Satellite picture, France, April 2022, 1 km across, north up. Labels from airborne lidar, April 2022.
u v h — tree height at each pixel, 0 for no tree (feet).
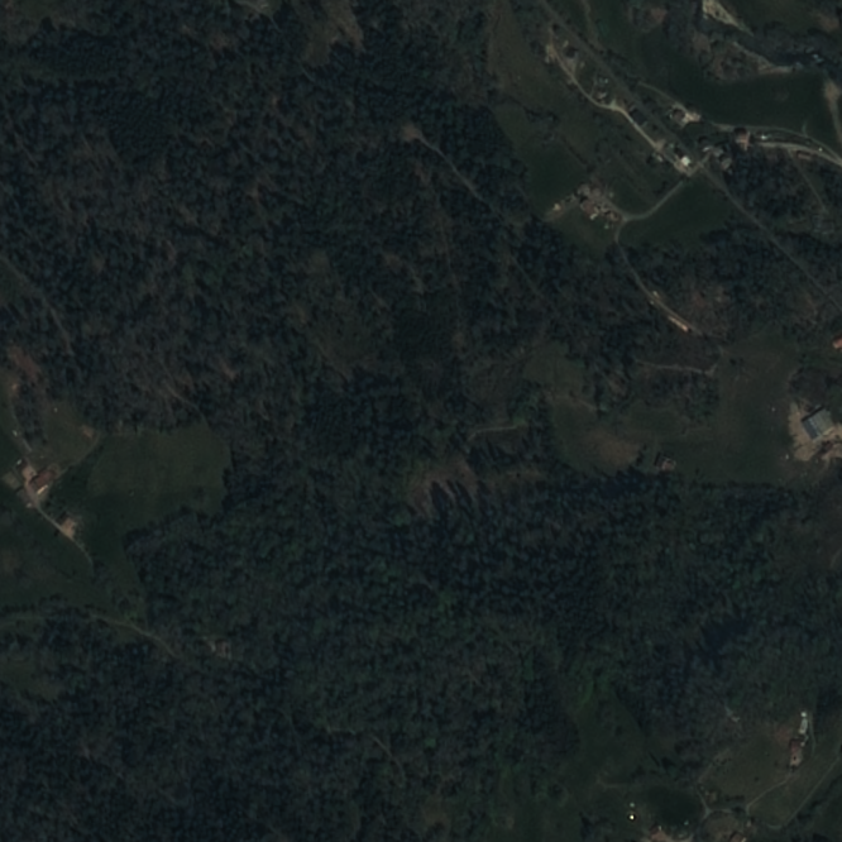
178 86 80
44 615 27
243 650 89
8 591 0
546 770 84
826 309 25
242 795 63
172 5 99
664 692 52
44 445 52
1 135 106
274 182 44
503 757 77
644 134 0
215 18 116
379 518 21
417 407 46
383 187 43
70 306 94
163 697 65
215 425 86
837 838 0
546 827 0
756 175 88
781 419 0
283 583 94
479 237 27
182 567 73
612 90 0
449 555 54
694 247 0
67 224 111
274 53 85
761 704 52
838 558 0
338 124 55
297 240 94
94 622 31
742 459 0
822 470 0
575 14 0
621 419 62
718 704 48
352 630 81
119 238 19
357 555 95
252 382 90
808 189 20
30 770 59
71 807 64
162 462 0
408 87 105
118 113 99
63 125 106
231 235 53
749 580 65
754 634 94
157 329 124
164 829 88
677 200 0
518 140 0
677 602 86
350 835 81
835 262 37
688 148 23
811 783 0
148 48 88
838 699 59
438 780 60
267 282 103
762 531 98
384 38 55
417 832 70
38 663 23
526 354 20
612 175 0
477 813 70
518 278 26
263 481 60
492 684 39
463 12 56
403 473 137
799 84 0
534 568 77
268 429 40
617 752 0
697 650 0
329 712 64
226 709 88
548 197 0
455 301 24
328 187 60
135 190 109
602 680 71
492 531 71
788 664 57
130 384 101
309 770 85
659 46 0
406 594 70
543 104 0
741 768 0
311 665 90
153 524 0
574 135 0
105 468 0
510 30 0
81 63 95
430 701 85
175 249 114
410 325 37
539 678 77
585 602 70
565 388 0
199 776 88
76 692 66
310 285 75
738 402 0
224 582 81
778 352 0
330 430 100
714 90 0
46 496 0
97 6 82
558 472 77
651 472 0
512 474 86
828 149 0
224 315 23
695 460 0
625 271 91
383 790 69
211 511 0
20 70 25
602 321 19
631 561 64
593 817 29
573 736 94
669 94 0
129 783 89
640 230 0
